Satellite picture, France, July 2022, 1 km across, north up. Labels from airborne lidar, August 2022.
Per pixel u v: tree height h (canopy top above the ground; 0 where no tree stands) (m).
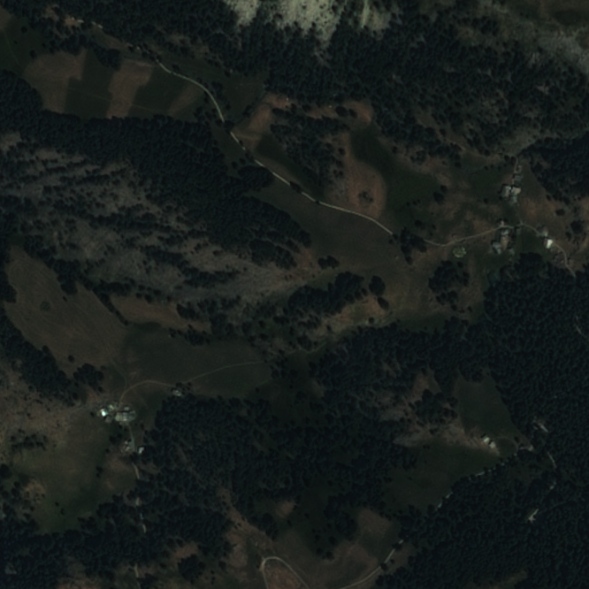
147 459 13
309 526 0
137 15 17
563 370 19
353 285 23
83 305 0
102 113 0
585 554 17
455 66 15
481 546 22
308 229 0
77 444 0
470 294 0
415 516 19
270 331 0
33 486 0
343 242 0
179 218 8
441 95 12
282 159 0
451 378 25
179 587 0
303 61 21
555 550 21
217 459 16
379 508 17
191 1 25
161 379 0
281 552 0
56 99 0
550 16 0
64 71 0
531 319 18
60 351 0
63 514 11
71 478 0
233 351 0
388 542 0
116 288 21
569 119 14
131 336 0
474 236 0
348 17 10
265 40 20
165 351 0
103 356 0
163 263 12
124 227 19
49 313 0
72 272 19
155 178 17
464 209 0
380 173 0
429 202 0
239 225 18
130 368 0
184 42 15
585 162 11
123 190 0
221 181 29
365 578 0
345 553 0
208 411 21
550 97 17
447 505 14
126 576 0
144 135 27
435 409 15
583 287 22
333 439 23
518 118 15
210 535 20
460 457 0
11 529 25
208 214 18
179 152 26
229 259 0
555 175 12
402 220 0
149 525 21
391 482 9
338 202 0
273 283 0
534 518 0
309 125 15
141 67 0
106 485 0
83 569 0
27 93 20
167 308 0
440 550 23
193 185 12
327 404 18
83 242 0
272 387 0
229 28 24
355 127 0
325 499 0
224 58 15
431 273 0
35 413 0
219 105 0
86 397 0
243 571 0
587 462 20
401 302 0
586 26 0
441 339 9
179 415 16
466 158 0
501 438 0
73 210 18
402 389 19
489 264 0
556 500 21
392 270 0
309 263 0
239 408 16
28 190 0
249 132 0
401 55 21
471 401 0
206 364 0
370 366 21
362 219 0
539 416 21
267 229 17
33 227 14
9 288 18
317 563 0
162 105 0
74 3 12
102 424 0
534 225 0
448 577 24
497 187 0
